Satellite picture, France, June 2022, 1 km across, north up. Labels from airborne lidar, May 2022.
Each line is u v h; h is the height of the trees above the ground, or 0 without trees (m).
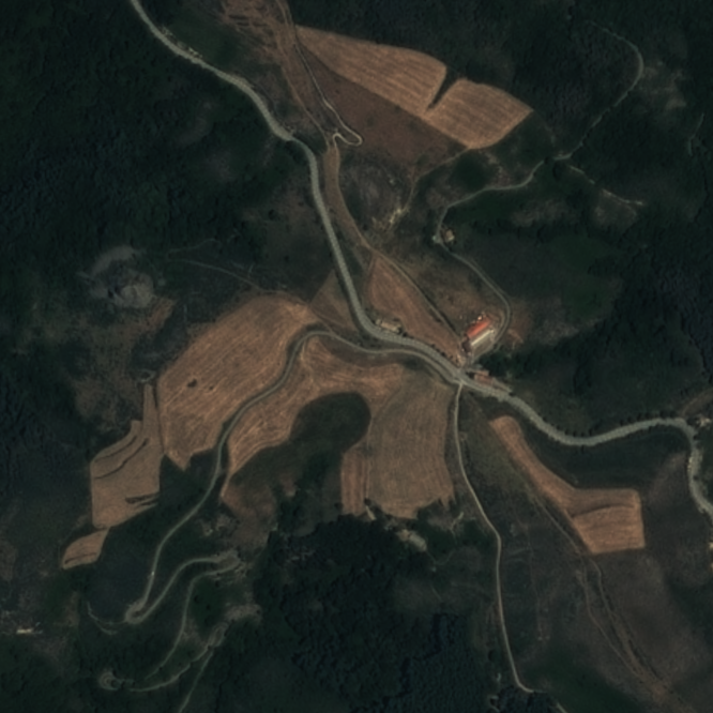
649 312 16
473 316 0
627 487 0
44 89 23
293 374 0
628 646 0
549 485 0
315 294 0
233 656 15
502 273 0
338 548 26
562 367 0
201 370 0
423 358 0
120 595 0
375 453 0
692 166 8
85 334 0
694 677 0
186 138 0
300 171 0
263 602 6
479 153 0
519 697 16
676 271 12
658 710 0
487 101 0
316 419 0
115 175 37
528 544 0
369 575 8
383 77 0
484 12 11
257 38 0
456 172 0
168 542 0
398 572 9
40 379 22
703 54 21
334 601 13
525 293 0
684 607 0
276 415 0
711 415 9
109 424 0
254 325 0
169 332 0
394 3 16
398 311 0
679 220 9
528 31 8
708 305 17
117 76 16
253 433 0
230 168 0
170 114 13
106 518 0
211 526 0
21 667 10
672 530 0
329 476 0
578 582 0
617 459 0
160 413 0
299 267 0
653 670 0
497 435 0
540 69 11
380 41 8
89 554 0
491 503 0
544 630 0
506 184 0
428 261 0
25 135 17
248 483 0
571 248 0
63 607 0
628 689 0
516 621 0
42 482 0
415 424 0
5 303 7
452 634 27
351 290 0
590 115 7
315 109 0
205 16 0
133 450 0
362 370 0
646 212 9
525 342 0
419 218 0
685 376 0
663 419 9
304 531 0
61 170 30
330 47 0
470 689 32
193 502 9
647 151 18
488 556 0
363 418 0
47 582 0
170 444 0
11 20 13
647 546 0
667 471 0
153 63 13
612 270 9
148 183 28
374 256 0
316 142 0
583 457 0
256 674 0
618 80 7
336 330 0
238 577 0
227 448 0
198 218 22
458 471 0
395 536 9
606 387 0
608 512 0
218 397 0
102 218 16
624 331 20
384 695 5
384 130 0
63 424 0
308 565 19
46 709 20
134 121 25
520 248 0
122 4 14
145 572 0
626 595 0
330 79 0
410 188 0
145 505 0
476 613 0
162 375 0
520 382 0
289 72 0
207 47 0
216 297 0
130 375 0
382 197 0
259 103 0
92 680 9
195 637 0
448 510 0
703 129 12
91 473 0
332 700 0
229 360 0
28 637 0
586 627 0
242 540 0
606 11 13
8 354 16
